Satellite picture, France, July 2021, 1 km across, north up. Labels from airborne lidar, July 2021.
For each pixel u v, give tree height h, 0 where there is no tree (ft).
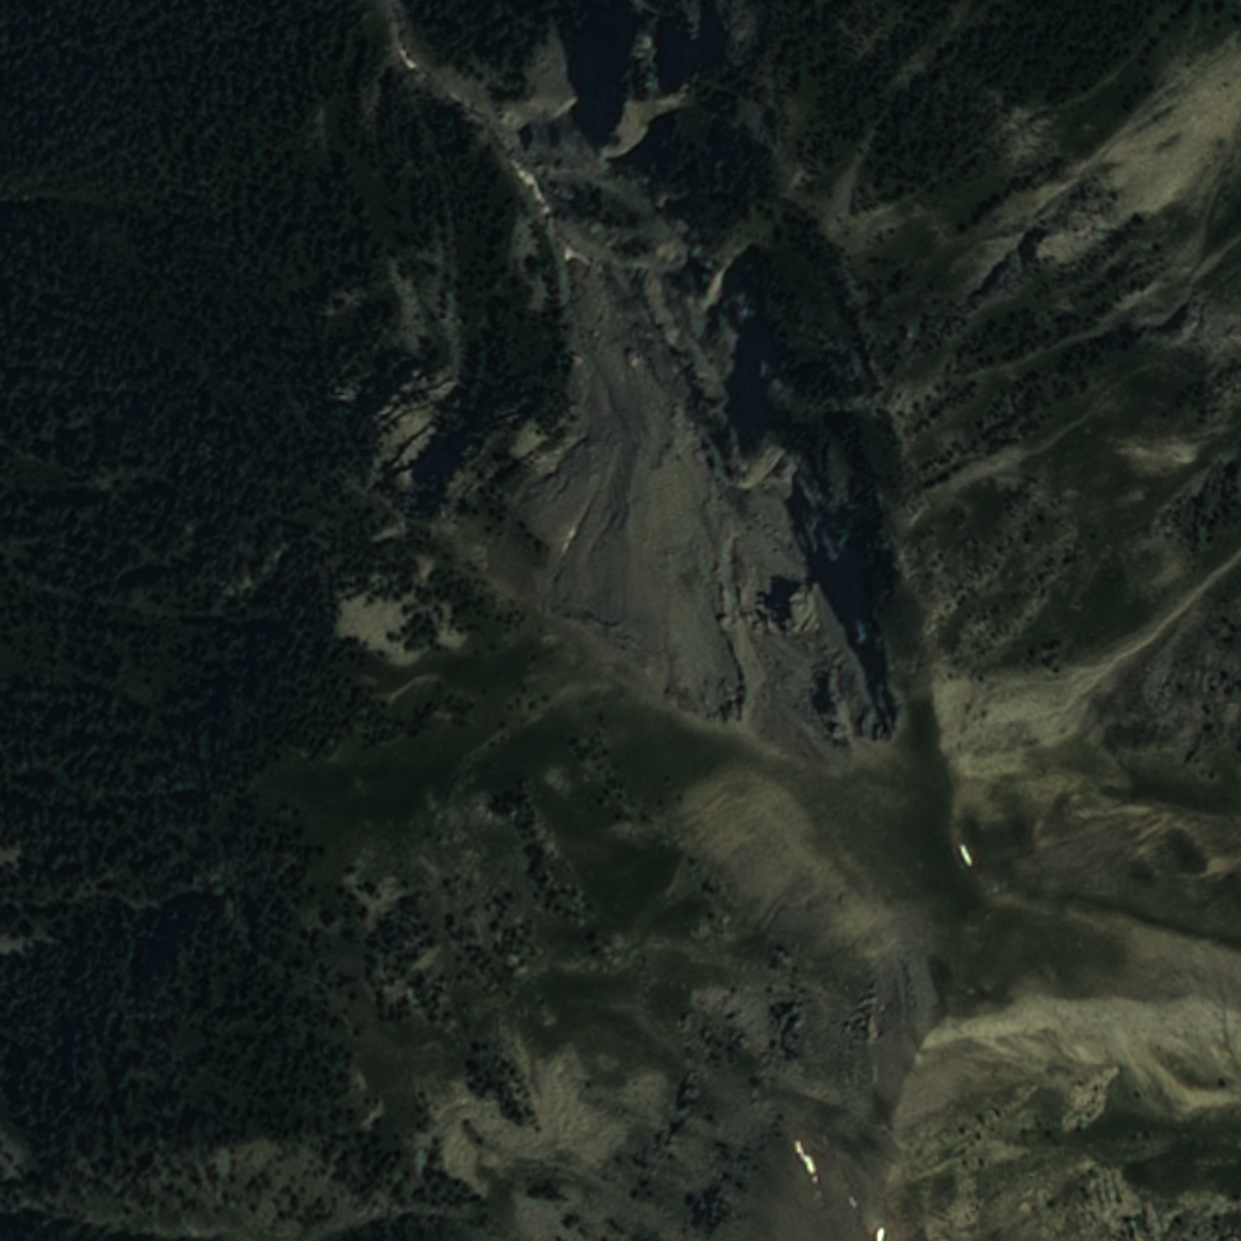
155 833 60
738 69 45
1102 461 0
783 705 0
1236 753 0
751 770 0
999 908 0
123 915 35
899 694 0
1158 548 0
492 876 0
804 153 21
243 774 44
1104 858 0
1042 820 0
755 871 0
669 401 0
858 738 0
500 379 49
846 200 0
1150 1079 0
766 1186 0
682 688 0
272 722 34
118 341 52
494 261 32
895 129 21
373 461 22
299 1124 21
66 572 47
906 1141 0
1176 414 0
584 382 0
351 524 23
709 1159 0
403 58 0
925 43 24
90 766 51
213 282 29
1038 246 0
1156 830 0
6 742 57
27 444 59
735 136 26
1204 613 0
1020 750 0
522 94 22
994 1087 0
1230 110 0
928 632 0
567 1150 0
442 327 0
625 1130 0
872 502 19
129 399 22
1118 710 0
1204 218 0
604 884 0
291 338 54
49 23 94
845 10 47
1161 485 0
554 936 0
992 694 0
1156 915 0
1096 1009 0
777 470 0
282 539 39
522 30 56
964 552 0
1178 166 0
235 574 28
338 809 0
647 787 0
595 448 0
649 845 0
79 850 70
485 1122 0
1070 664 0
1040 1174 0
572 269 0
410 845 0
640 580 0
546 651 0
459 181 23
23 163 28
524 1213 0
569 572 0
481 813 0
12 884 58
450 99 0
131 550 49
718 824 0
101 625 25
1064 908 0
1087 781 0
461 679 0
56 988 80
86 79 51
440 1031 0
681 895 0
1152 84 25
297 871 32
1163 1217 0
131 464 45
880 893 0
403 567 26
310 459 24
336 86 34
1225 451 0
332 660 38
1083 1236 0
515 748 0
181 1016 44
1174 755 0
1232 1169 0
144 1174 35
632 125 0
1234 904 0
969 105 34
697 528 0
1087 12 43
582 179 0
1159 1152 0
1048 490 0
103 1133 36
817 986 0
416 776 0
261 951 43
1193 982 0
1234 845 0
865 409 0
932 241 0
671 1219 0
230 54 63
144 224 22
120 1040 59
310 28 57
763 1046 0
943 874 0
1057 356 0
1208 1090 0
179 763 51
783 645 0
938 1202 0
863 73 34
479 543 0
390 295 0
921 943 0
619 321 0
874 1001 0
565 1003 0
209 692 37
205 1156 34
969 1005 0
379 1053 0
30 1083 72
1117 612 0
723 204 27
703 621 0
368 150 29
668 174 48
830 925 0
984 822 0
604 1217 0
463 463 28
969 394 23
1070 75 30
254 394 55
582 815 0
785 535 0
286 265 24
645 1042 0
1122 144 0
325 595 35
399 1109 0
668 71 0
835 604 0
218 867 20
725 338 0
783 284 22
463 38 59
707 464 0
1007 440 30
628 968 0
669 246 0
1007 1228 0
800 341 0
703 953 0
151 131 45
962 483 0
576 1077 0
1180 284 0
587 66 0
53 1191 26
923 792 0
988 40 44
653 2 40
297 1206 45
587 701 0
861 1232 0
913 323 0
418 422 0
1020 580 0
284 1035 26
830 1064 0
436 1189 24
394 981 20
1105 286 26
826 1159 0
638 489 0
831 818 0
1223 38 0
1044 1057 0
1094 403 0
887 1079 0
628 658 0
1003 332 29
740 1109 0
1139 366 0
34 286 52
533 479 0
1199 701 0
